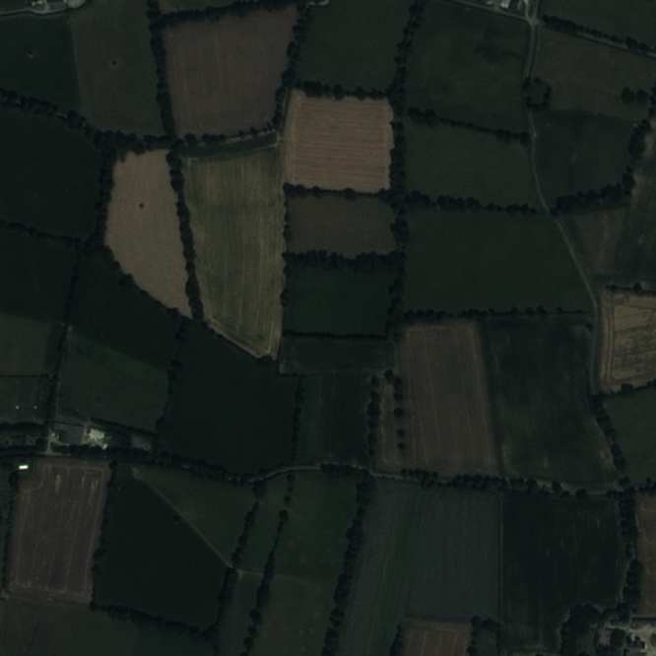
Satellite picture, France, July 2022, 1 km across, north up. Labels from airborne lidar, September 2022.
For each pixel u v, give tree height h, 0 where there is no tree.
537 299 0
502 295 0
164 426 16
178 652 0
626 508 16
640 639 0
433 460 0
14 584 0
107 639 0
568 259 0
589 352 0
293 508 0
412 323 15
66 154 0
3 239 0
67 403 0
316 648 0
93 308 0
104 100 0
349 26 0
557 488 20
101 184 14
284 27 0
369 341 12
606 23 0
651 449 0
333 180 0
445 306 0
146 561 0
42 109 15
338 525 0
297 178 0
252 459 0
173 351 0
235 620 0
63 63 0
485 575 0
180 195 8
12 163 0
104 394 0
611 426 13
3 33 0
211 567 0
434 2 0
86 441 0
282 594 0
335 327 0
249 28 0
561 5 0
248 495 0
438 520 0
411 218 0
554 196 0
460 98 0
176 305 0
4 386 0
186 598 0
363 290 0
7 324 0
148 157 0
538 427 0
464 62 0
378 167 0
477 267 0
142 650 0
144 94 0
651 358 0
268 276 0
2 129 0
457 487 17
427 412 0
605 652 13
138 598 0
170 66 0
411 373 0
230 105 0
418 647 0
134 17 0
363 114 0
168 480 0
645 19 0
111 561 0
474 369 0
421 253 0
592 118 0
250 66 0
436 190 0
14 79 0
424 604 0
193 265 14
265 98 0
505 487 16
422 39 0
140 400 0
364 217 0
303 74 0
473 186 0
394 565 0
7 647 0
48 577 0
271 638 0
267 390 0
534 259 0
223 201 0
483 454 0
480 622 14
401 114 21
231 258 0
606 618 7
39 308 0
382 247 0
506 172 0
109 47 0
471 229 0
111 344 0
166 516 0
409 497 0
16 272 0
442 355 0
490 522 0
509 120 0
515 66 0
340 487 0
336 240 0
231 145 0
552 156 0
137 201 0
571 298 0
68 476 0
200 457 0
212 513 0
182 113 0
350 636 0
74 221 0
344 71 0
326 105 0
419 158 0
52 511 0
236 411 0
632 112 0
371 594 0
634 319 0
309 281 0
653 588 0
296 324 0
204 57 0
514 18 0
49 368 0
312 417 0
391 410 0
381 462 0
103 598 0
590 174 0
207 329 15
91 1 8
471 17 0
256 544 0
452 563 0
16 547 0
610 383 0
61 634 0
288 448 0
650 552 0
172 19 14
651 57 0
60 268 0
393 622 0
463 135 0
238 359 0
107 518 9
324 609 0
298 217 0
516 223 0
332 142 0
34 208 0
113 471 12
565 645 13
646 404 0
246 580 0
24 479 0
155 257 0
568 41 0
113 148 14
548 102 8
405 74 12
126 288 16
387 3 0
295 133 0
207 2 0
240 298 0
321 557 0
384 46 0
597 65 0
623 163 0
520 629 0
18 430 13
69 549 0
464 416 0
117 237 0
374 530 0
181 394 0
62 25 0
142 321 0
